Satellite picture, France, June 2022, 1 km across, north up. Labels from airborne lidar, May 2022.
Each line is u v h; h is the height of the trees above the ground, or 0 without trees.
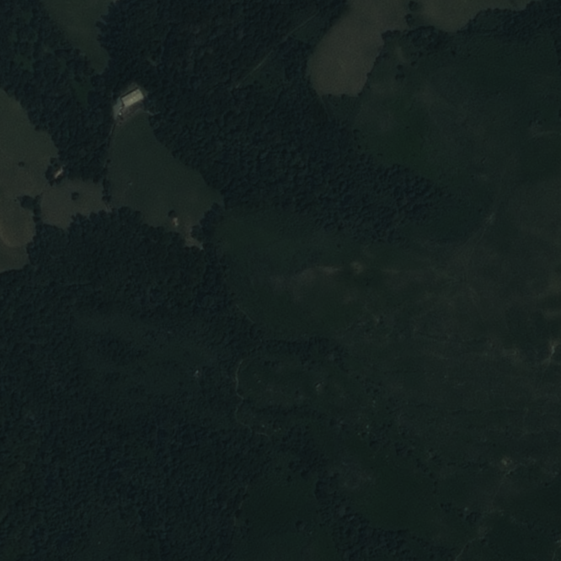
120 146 0
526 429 0
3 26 21
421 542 8
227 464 17
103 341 15
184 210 0
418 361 0
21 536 13
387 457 0
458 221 0
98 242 13
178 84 22
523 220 0
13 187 0
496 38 8
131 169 0
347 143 20
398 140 0
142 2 27
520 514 0
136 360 9
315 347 18
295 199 15
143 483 9
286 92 14
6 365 13
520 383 0
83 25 0
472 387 0
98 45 0
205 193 0
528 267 0
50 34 17
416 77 0
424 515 0
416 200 21
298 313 0
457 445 0
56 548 11
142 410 8
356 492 0
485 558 0
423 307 0
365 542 21
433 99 0
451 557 9
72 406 15
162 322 8
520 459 0
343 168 18
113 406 12
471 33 13
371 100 0
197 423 12
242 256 0
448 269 0
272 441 7
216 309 7
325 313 0
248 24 11
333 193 9
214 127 31
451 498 0
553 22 16
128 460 9
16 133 0
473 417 0
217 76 9
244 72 8
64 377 11
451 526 0
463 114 0
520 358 0
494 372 0
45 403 15
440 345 0
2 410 18
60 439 12
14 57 10
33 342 21
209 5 23
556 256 0
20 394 13
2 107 0
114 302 9
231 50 16
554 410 0
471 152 0
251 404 11
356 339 0
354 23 0
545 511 0
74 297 9
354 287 0
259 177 22
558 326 0
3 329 12
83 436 21
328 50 0
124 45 23
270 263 0
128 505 17
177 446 15
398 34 12
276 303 0
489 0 0
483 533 0
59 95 8
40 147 0
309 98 12
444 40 9
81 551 6
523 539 0
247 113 27
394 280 0
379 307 0
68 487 14
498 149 0
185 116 27
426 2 0
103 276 20
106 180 8
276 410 8
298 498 0
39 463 23
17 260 0
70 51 20
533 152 0
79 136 22
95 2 0
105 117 20
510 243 0
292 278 0
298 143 20
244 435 8
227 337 7
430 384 0
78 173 16
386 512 0
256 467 13
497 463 0
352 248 0
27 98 17
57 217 0
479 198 0
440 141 0
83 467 11
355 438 0
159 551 14
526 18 19
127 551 9
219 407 9
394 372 0
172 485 14
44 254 18
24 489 20
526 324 0
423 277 0
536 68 0
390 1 0
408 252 0
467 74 0
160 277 21
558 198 0
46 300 16
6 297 17
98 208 0
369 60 0
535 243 0
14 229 0
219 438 21
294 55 20
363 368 0
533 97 0
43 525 14
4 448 10
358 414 0
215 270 22
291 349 11
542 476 0
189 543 9
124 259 17
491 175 0
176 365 8
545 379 0
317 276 0
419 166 0
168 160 0
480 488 0
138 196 0
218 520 9
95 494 9
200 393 8
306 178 7
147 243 18
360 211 9
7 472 7
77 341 10
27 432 19
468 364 0
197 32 14
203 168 19
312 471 14
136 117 0
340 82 0
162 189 0
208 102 24
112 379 10
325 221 9
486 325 0
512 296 0
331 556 0
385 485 0
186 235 0
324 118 9
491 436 0
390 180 13
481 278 0
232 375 8
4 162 0
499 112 0
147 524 26
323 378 0
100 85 18
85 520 10
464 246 0
